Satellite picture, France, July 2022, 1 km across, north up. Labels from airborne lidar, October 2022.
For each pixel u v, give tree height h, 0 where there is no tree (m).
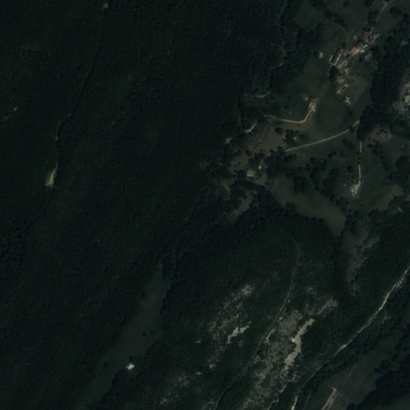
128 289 31
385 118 15
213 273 19
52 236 18
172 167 23
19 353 20
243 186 22
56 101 16
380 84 22
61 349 17
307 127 0
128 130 28
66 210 16
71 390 27
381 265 22
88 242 23
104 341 27
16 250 33
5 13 26
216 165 22
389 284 7
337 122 0
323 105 0
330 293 10
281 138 0
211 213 34
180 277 29
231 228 35
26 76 16
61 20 19
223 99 29
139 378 17
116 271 17
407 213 16
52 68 22
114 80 23
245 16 24
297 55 19
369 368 0
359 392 0
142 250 24
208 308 13
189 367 14
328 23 0
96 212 26
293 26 27
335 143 0
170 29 22
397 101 8
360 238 0
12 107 16
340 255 24
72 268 18
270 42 21
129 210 27
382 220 14
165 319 15
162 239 34
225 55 30
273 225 23
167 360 23
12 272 34
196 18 27
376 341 11
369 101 0
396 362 16
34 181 21
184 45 27
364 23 0
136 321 0
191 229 33
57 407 22
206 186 24
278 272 7
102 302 17
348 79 0
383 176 0
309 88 0
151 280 19
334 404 0
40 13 23
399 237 19
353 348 18
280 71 26
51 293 22
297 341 0
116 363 0
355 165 0
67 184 17
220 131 19
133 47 18
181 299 17
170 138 25
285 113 0
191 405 10
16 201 26
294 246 13
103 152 18
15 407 24
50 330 29
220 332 6
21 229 29
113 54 20
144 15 13
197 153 22
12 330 26
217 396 10
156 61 26
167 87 29
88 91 20
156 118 25
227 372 12
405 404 0
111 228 19
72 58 20
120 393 10
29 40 23
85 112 22
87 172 13
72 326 21
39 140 27
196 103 24
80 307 23
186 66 31
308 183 18
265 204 27
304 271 11
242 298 8
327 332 8
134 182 16
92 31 21
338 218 0
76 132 23
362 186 0
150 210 20
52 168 7
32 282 19
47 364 27
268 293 9
